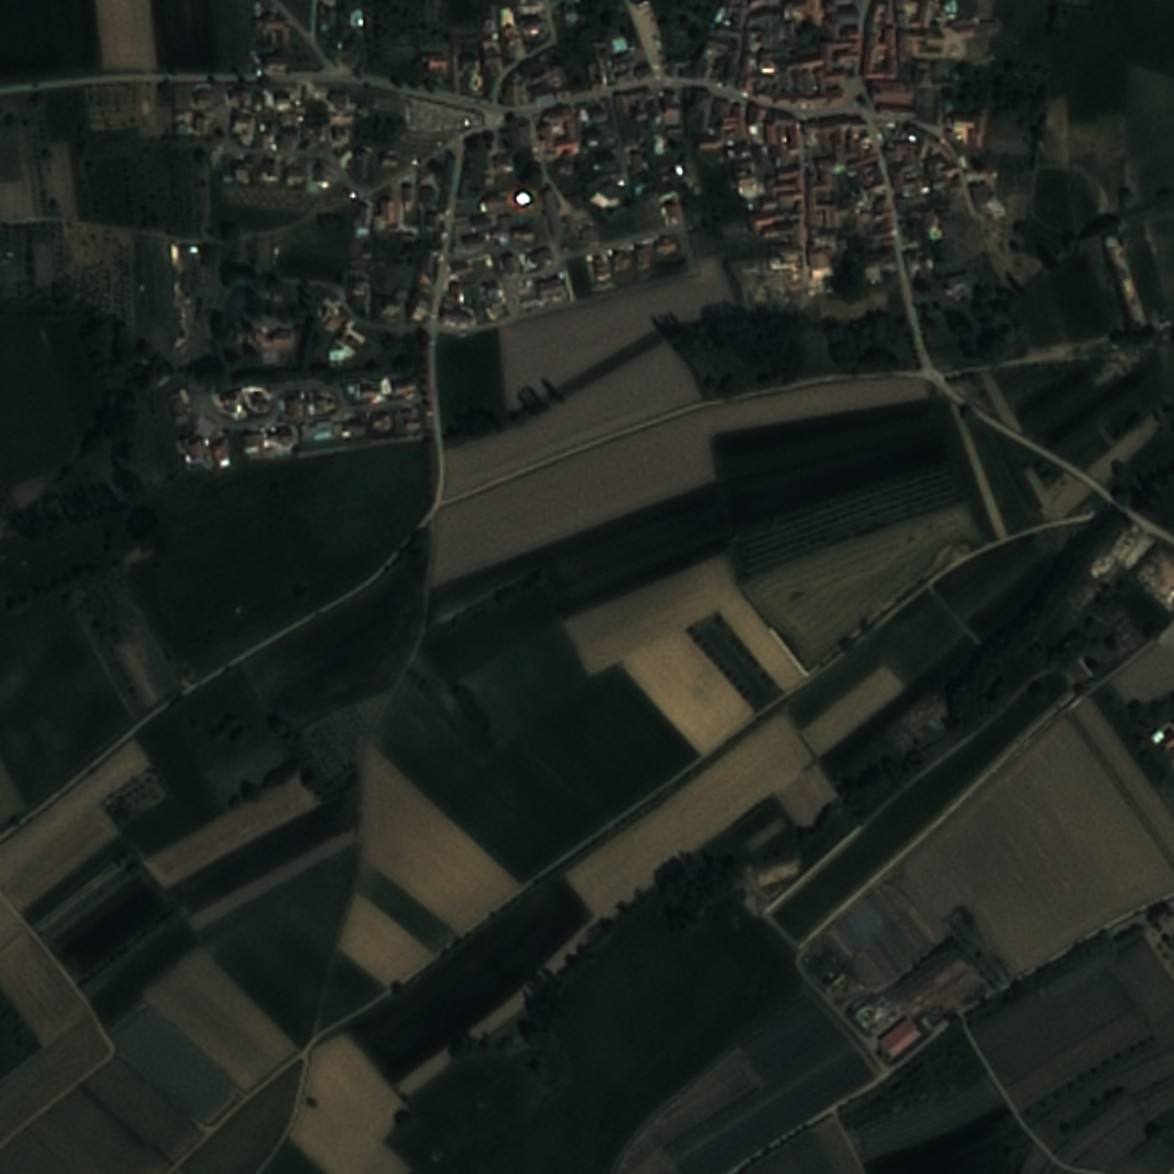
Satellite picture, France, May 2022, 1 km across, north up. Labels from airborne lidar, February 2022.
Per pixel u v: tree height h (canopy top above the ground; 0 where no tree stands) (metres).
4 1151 0
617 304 0
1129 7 0
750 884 0
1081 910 0
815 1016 0
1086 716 0
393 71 0
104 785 0
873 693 0
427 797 0
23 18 0
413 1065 0
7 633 0
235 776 0
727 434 0
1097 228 12
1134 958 0
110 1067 0
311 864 0
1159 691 0
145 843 0
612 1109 0
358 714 0
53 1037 0
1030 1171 0
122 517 0
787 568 0
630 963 0
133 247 0
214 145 0
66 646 0
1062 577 19
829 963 0
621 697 0
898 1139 0
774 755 0
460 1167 0
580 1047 0
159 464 0
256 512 0
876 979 0
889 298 0
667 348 0
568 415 0
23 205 0
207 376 23
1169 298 0
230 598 0
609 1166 0
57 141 0
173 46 0
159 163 0
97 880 0
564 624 0
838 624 0
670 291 0
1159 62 0
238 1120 0
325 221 9
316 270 0
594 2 14
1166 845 0
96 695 0
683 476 0
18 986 0
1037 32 0
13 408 0
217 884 0
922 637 0
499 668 0
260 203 0
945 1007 0
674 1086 0
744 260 0
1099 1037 0
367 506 0
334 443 0
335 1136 0
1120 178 0
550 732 0
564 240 0
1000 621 0
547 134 0
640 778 0
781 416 0
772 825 0
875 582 0
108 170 0
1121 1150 0
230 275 21
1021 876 0
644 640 0
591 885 0
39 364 0
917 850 0
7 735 0
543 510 0
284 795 0
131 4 0
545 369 0
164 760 0
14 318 0
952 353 0
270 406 0
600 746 0
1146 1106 0
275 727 14
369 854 0
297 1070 0
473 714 12
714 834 0
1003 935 0
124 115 0
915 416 0
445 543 0
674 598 0
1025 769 0
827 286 0
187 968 0
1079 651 12
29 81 0
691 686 0
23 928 0
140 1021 0
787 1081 0
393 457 0
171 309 0
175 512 0
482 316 0
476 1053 17
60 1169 0
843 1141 0
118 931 0
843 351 18
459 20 0
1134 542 0
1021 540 0
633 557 0
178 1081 0
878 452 0
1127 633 0
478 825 0
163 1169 0
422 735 0
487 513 0
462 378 0
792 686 0
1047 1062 0
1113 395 0
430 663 0
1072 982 0
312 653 0
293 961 0
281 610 0
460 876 0
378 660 0
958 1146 0
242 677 0
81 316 0
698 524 0
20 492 0
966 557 0
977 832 0
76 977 0
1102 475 0
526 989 0
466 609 0
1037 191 0
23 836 0
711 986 0
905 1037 0
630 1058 0
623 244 0
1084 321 0
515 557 0
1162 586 0
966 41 0
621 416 0
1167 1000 0
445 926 0
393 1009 0
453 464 0
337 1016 0
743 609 0
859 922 0
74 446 0
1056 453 0
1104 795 0
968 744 0
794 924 0
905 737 0
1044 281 0
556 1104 0
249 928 0
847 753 0
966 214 0
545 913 0
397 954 0
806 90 0
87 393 0
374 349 0
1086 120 0
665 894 18
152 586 0
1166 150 0
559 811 0
